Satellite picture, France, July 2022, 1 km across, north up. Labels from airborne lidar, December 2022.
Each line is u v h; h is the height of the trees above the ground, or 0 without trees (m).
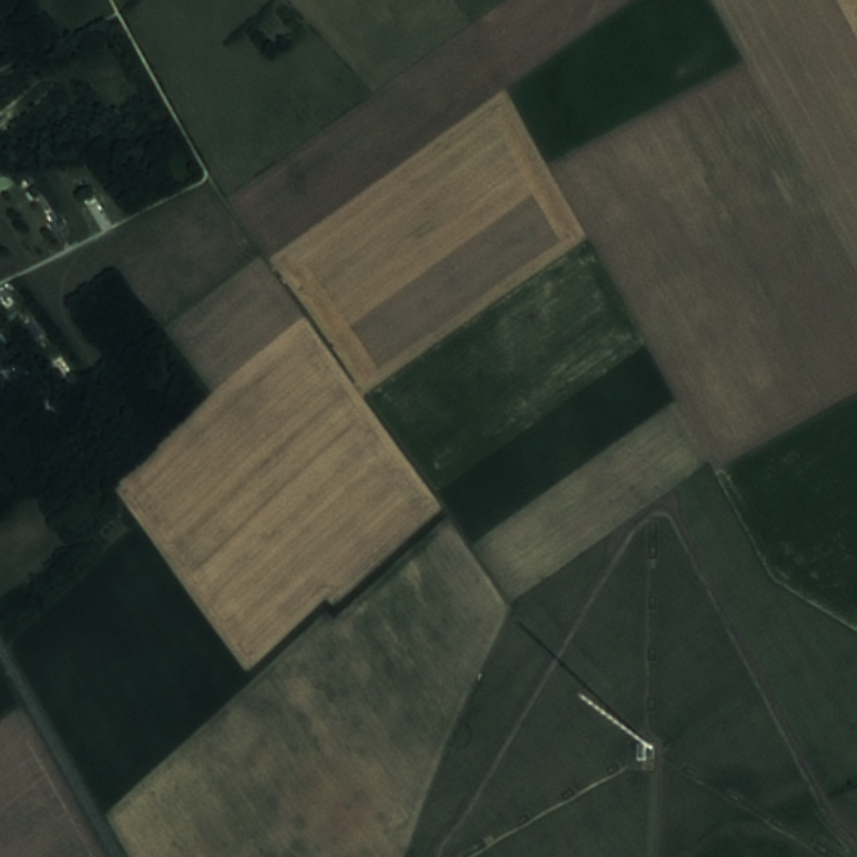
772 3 0
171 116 6
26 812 0
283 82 0
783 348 0
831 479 0
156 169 22
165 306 0
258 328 0
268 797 0
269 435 0
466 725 0
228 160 0
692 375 0
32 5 21
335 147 0
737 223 0
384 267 0
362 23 0
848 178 0
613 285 0
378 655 0
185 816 0
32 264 0
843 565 0
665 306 0
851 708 0
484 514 0
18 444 20
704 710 0
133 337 14
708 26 0
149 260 0
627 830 0
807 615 0
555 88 0
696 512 0
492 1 0
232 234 0
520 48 0
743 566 0
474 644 0
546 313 0
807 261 0
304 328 0
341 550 0
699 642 0
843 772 0
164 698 0
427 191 0
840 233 0
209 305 0
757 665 0
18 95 7
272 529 0
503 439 0
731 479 0
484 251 0
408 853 0
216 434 0
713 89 0
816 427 0
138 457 19
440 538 0
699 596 0
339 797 0
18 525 0
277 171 0
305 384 0
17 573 0
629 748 0
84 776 0
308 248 0
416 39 0
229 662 0
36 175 15
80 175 0
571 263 0
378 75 0
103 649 0
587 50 0
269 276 0
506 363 0
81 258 0
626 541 0
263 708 0
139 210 10
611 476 0
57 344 12
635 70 0
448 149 0
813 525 0
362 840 0
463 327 0
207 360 0
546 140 0
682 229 0
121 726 0
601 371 0
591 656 0
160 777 0
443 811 0
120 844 0
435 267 0
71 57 23
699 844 0
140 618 0
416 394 0
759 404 0
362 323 0
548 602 0
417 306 0
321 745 0
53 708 0
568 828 0
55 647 0
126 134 23
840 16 0
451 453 0
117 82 0
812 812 0
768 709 0
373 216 0
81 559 10
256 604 0
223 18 0
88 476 17
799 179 0
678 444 0
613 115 0
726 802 0
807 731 0
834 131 0
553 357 0
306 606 0
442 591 0
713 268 0
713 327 0
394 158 0
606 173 0
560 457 0
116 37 19
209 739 0
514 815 0
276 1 6
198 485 0
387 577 0
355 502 0
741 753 0
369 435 0
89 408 21
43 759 0
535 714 0
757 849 0
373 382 0
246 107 0
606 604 0
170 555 0
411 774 0
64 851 0
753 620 0
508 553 0
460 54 0
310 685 0
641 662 0
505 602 0
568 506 0
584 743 0
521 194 0
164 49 0
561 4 0
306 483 0
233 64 0
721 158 0
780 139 0
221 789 0
